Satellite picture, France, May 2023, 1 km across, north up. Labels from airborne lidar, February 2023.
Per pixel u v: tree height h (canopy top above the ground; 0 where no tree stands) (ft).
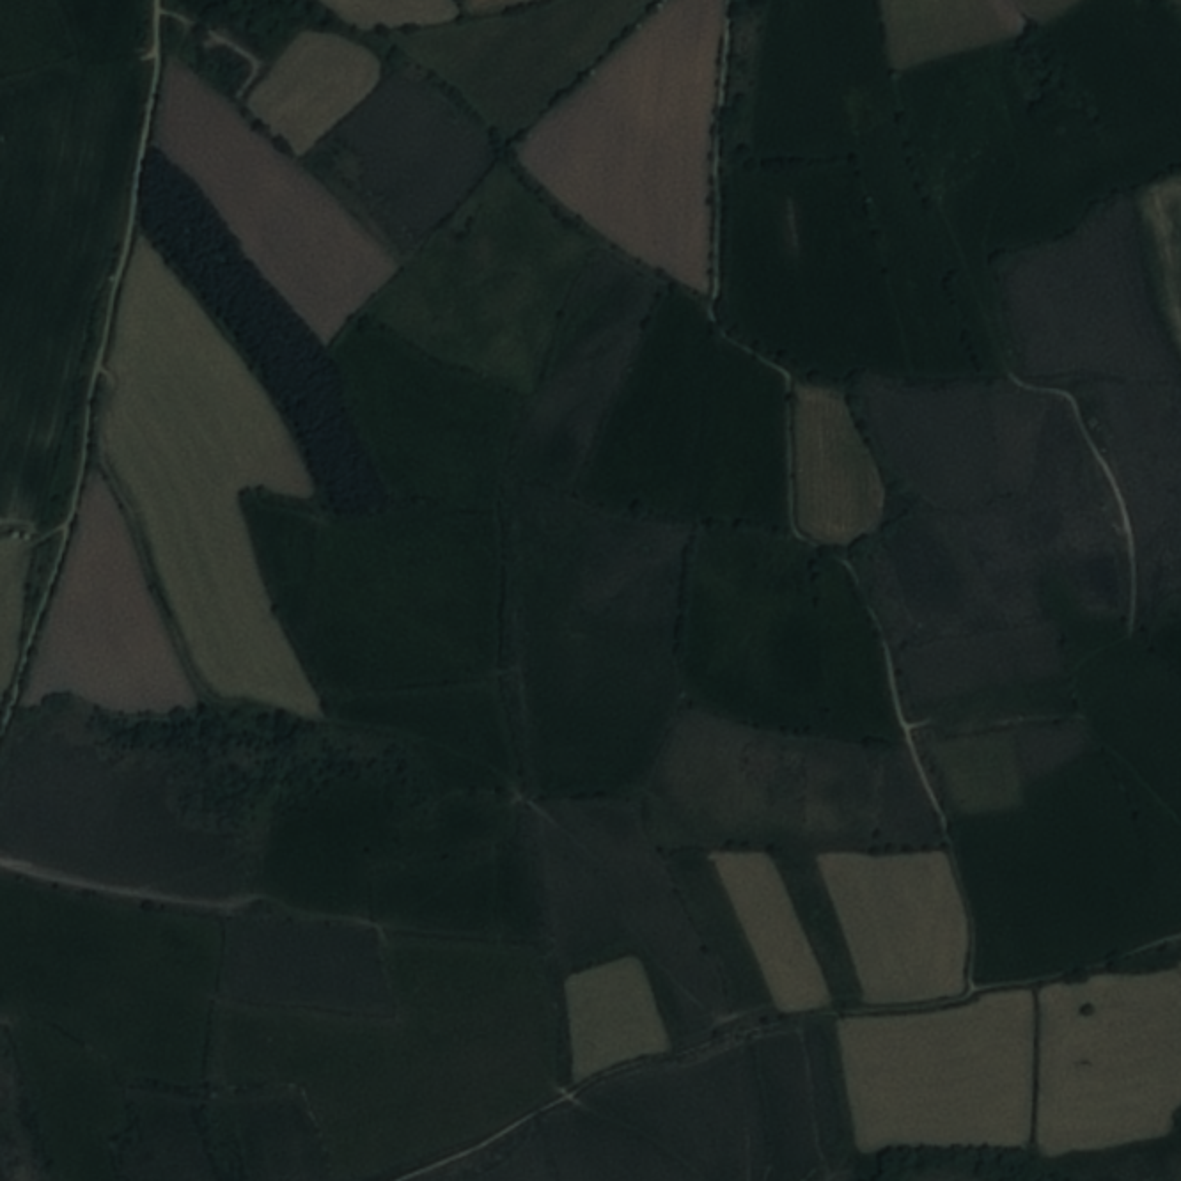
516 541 0
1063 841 0
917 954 0
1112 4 0
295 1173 0
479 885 0
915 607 0
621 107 0
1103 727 0
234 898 0
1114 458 0
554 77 0
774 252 0
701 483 0
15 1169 0
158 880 0
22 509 0
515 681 0
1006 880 0
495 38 0
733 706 0
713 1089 0
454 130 0
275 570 0
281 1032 0
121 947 0
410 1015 0
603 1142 0
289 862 0
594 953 0
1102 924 0
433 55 0
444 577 0
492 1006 0
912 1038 0
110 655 0
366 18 0
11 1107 0
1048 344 0
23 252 0
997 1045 0
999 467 0
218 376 0
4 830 0
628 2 0
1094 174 0
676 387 0
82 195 0
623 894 0
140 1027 0
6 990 0
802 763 0
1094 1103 0
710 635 0
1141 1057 0
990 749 0
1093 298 0
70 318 0
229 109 0
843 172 0
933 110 0
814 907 0
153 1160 0
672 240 0
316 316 0
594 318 0
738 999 0
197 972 0
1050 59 38
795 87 0
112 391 0
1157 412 0
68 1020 0
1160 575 0
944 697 0
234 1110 0
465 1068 0
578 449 0
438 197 0
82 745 0
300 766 20
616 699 0
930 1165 21
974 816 0
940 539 0
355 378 0
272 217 0
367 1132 0
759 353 22
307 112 0
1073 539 0
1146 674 0
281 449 0
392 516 0
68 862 0
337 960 0
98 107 0
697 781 0
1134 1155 0
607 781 0
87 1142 0
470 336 0
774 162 23
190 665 0
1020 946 0
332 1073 0
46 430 0
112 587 0
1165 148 0
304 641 0
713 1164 0
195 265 32
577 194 0
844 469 0
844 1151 0
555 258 0
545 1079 0
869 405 0
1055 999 0
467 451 0
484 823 0
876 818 0
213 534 0
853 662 0
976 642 0
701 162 0
